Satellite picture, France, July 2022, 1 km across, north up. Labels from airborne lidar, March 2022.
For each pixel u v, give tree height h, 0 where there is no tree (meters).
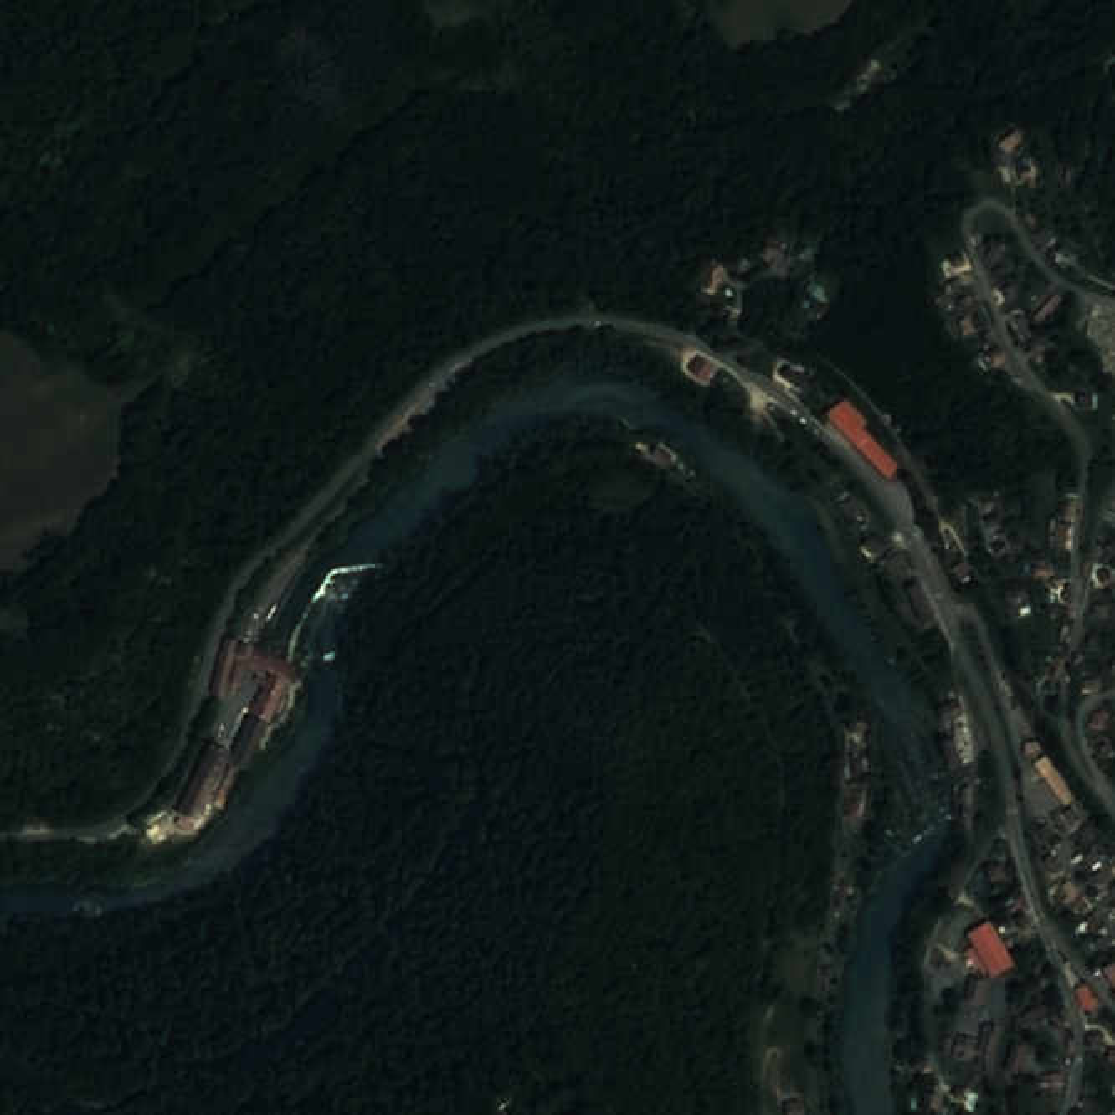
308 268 32
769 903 24
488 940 22
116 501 17
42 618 18
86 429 0
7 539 0
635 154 22
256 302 31
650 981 25
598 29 27
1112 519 0
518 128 20
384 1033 27
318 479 22
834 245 9
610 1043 28
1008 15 20
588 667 25
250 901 20
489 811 30
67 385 0
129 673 16
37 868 17
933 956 0
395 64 26
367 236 27
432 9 0
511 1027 24
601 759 23
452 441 0
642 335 0
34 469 0
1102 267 7
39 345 19
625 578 26
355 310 11
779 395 0
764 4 0
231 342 32
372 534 0
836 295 0
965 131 27
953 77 27
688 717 22
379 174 28
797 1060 0
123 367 12
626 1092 26
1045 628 0
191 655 22
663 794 19
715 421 23
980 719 0
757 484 0
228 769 0
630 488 0
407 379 21
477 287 26
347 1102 32
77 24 25
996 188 0
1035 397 0
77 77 30
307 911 33
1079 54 25
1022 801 9
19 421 0
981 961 0
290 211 22
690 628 18
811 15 0
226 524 36
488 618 16
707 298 0
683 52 16
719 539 20
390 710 30
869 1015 0
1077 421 0
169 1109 23
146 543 26
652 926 28
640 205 16
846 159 8
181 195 22
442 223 29
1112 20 24
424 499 0
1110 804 0
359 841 33
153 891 0
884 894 0
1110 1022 6
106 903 0
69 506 0
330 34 23
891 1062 0
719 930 25
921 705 0
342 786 32
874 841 22
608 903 26
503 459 20
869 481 0
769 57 22
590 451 24
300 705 10
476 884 29
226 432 29
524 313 18
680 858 26
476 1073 29
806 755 20
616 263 26
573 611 16
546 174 24
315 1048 33
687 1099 31
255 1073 28
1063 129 18
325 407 20
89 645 13
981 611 0
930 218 24
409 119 16
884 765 10
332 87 28
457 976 25
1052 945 0
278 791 0
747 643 24
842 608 0
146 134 25
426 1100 31
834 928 0
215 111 26
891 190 21
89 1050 32
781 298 16
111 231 32
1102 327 0
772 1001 14
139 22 29
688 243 24
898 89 14
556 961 19
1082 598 0
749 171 24
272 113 27
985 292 0
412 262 27
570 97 8
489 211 29
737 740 25
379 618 24
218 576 25
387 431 0
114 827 0
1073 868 0
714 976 23
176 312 23
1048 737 6
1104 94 17
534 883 21
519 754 26
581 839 26
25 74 25
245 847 0
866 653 0
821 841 17
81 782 27
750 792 26
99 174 27
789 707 25
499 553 9
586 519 8
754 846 26
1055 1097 0
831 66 26
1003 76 15
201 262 0
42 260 19
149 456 30
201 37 17
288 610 0
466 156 25
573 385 0
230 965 37
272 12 23
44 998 29
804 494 18
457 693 27
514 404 0
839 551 0
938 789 10
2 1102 34
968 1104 0
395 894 27
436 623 19
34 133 28
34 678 14
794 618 26
